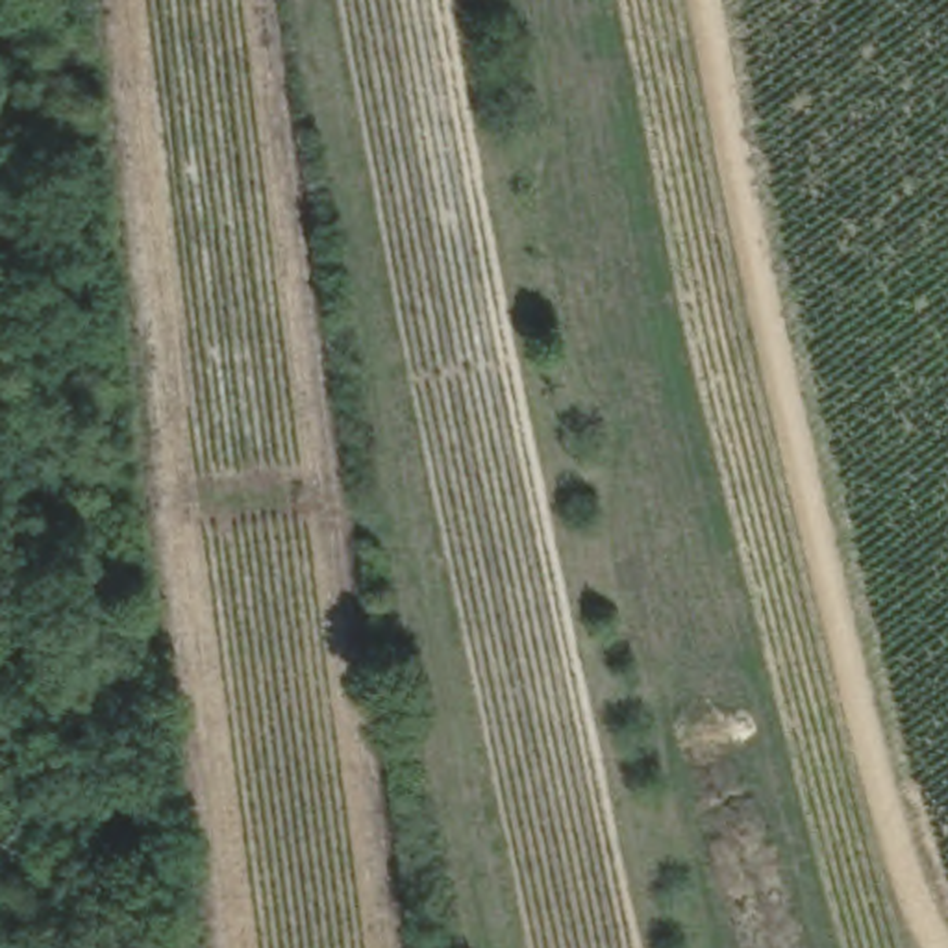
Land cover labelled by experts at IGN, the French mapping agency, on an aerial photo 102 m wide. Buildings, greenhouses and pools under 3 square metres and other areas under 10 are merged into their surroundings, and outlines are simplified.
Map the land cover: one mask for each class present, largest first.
<instances>
[{"label":"vineyard","instance_id":"1","mask_svg":"<svg viewBox=\"0 0 948 948\"><path fill-rule=\"evenodd\" d=\"M152 74L163 115L185 359L193 385L185 441L196 481H178V515L181 522H193L200 530L256 948H367L348 796L341 774V744L330 707V692L344 685V659L326 641L330 607L318 596L315 548L300 518L304 478L281 481V467H293L300 459V433L278 289V252L270 230V196L256 119L244 0H144ZM352 78L363 163L374 196V222L381 237L400 359L407 374L418 448L441 533V559L448 570L481 748L489 759L493 804L507 848V874L518 907L522 948H648L622 859L600 718L589 700V678L578 652V604L567 593L555 522L552 489L544 481L533 437L526 381L522 359L489 215V193L481 178L478 133L467 96V67L452 0H333ZM618 22L633 67V89L652 163L655 207L667 237L678 318L715 452V470L722 481L730 530L752 593L759 648L774 707L781 718L792 785L800 815L811 833L837 948H918L885 867L859 763L852 755V733L841 711L833 648L822 626L815 574L804 552V530L796 518L792 485L781 459L778 415L748 307L737 230L722 185L715 122L696 48L692 0H618ZM726 22L730 44L744 48V141L755 144L770 167V256H778L789 270V281L778 289L781 318L796 359L800 400L815 441L818 481L844 570L852 622L863 648V667L878 726L885 737L892 781L907 774L918 781L948 870V0H737V15Z\"/></svg>","mask_w":948,"mask_h":948},{"label":"herbaceous vegetation","instance_id":"2","mask_svg":"<svg viewBox=\"0 0 948 948\"><path fill-rule=\"evenodd\" d=\"M281 56H300L307 107L326 144V174L315 178V189H333V204L348 233L344 267L348 281L356 285V315L348 330L356 333V348L363 352L359 381L367 418L374 422L378 437V485L363 496H344L352 526L374 530L378 541L389 548L393 585L389 593L367 604L344 593L330 607L326 641L344 659V667H356L370 678L422 655L430 696L437 707V726L418 752L426 767V792L433 796V811L444 837L448 881L455 889V926L459 941H467L470 948H522L518 907L507 874V848L493 804L489 759L481 748L448 570L441 559V533L418 448L407 374L400 359L381 237L374 222V196L363 163L352 78L333 0H274ZM526 15L533 37V100L522 104L518 115H500L478 133L481 178L489 193V215L522 359L530 363L555 337H563L559 352L567 356V363L555 374H537L533 381H526L533 437L544 481L552 489L563 478H581L596 489L600 500L596 522L589 530H567L555 522L567 593L578 604V652L589 678V700L600 718L622 859L648 948H741L737 922L726 915V892L715 889V844L744 837L741 822H759L763 844L778 852V874L789 889V915L800 926V948H837L811 833L800 815L792 785L781 718L774 707L759 648L752 593L730 530L722 481L715 470V452L678 318L667 237L655 207L652 163L633 89V67L618 22V0H511ZM722 711L748 715L755 722V733L748 741L718 744L704 763H696L692 752L678 748L674 726L704 722Z\"/></svg>","mask_w":948,"mask_h":948},{"label":"deciduous trees","instance_id":"3","mask_svg":"<svg viewBox=\"0 0 948 948\"><path fill-rule=\"evenodd\" d=\"M122 144L119 111L107 93L104 0H0V948H215L207 907L211 844L200 830L193 792L185 785V741L193 733V700L181 692L174 674V644L167 633L170 600L159 578V533L152 500L156 426L148 411L152 348L137 326V296L130 281V226L119 193ZM467 67V96L478 133L500 115H518L522 104L533 100V37L526 15L511 0H452ZM563 337H555L530 363L522 359L526 381H533L537 374H555L567 363V356L559 352ZM344 696L363 715L359 733L378 759H407L418 752L437 726V707L430 696L422 655L370 678L356 667H344ZM400 948H470L467 941H459L455 926L433 922L430 933L407 929L400 937Z\"/></svg>","mask_w":948,"mask_h":948},{"label":"pervious surface","instance_id":"4","mask_svg":"<svg viewBox=\"0 0 948 948\"><path fill-rule=\"evenodd\" d=\"M107 93L119 111L122 144L119 193L130 226V281L137 296V326L152 348L148 411L156 426L152 500L159 533V578L170 600L167 633L174 644V674L181 692L193 700V733L185 741V785L193 792L200 830L211 844L207 907L215 948H256L200 530L193 522H181L178 515V481H196L185 441L193 385L185 359L163 115L152 74L144 0H104ZM256 119L270 196V230L278 252V289L300 433V459L293 467H281V481L304 478L300 518L315 548L318 596L330 607L352 585V526L344 496L322 378L315 296L307 289V248L296 218V148L289 100L281 85V56L274 0H244ZM737 15V0H692L696 48L715 122L722 185L737 230L748 307L778 415L781 459L792 485L796 518L804 530V552L815 574L822 626L833 648L841 711L852 733V755L859 763L885 867L918 948H948V870L918 781L907 774L892 781L885 737L878 726L863 667V648L852 622L844 570L818 481L815 441L800 400L796 359L781 318L778 289L789 281V270L778 256H770V167L755 144L744 141V48L730 44L726 22ZM330 707L341 744V774L348 796L367 948H400V937L385 874L378 759L359 733L363 715L344 696V685L330 692ZM755 733V722L748 715L722 711L704 722L674 726L678 748L692 752L696 763H704L718 744L748 741ZM744 837L715 844V889L726 892V915L737 922L741 948H800V926L789 915V889L778 874V852L763 844L759 822H741Z\"/></svg>","mask_w":948,"mask_h":948},{"label":"brushwood","instance_id":"5","mask_svg":"<svg viewBox=\"0 0 948 948\"><path fill-rule=\"evenodd\" d=\"M281 85L289 100L296 148V218L307 248V289L315 296L322 378L344 496H363L378 485V437L374 422L367 418L359 381L363 352L356 348V333L348 330L356 315V285L348 281L344 267L348 233L333 204V189H315V178L326 174V144L307 107L300 56H281ZM600 500L596 489L581 478H563L552 489L555 522L567 530H589L596 522ZM389 548L378 541L374 530L352 526V585L344 593L367 604L389 593L393 585ZM385 874L400 937L407 929L430 933L433 922L455 926V889L448 881L444 837L433 811V796L426 792V767L418 752L407 759H378Z\"/></svg>","mask_w":948,"mask_h":948}]
</instances>
